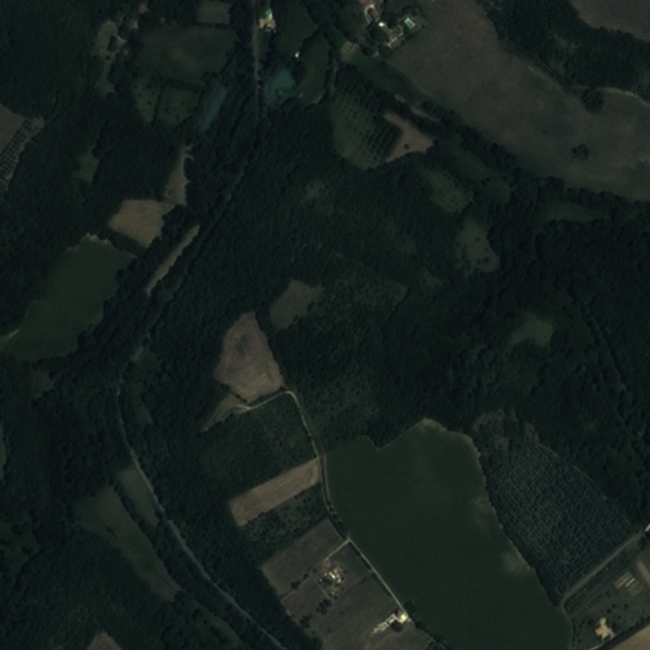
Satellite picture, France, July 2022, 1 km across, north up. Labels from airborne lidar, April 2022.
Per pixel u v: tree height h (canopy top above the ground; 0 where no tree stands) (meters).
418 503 0
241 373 0
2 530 0
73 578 15
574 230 26
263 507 0
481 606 0
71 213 19
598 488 10
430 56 0
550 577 13
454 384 7
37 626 15
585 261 17
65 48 11
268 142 26
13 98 15
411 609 6
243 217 19
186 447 12
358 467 0
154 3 17
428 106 17
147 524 7
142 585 20
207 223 20
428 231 11
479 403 17
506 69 0
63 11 14
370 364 9
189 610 32
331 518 9
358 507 0
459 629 0
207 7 0
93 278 0
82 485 20
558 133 0
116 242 23
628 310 19
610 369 16
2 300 15
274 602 13
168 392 22
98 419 15
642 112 0
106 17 14
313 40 14
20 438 20
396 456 0
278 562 0
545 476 7
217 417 0
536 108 0
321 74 0
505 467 8
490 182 12
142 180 27
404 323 19
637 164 0
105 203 19
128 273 21
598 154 0
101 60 17
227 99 8
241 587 18
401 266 17
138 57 10
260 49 0
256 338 0
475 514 0
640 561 0
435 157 17
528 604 0
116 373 8
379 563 0
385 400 7
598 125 0
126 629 13
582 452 24
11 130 0
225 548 6
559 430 21
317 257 8
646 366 11
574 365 24
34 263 23
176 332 18
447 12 0
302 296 0
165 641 18
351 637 0
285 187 14
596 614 0
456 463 0
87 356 31
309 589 0
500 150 28
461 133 10
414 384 19
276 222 13
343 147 0
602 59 11
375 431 7
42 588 14
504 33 13
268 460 6
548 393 19
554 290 9
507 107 0
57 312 0
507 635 0
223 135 15
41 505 25
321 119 22
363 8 0
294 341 9
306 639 11
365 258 10
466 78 0
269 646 25
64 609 9
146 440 17
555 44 7
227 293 11
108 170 24
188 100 0
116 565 22
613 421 23
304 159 20
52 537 19
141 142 24
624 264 26
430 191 10
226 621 14
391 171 15
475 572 0
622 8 0
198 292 11
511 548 0
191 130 11
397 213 10
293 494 0
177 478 17
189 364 20
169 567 21
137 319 14
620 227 12
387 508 0
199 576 17
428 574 0
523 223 12
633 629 9
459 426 10
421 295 14
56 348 0
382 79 0
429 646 6
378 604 0
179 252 0
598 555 15
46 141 10
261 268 22
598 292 22
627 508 12
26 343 0
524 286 35
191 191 26
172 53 0
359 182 16
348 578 0
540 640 0
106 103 14
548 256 29
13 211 16
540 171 0
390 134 7
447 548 0
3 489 9
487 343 8
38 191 20
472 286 21
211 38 0
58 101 9
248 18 24
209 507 10
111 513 0
